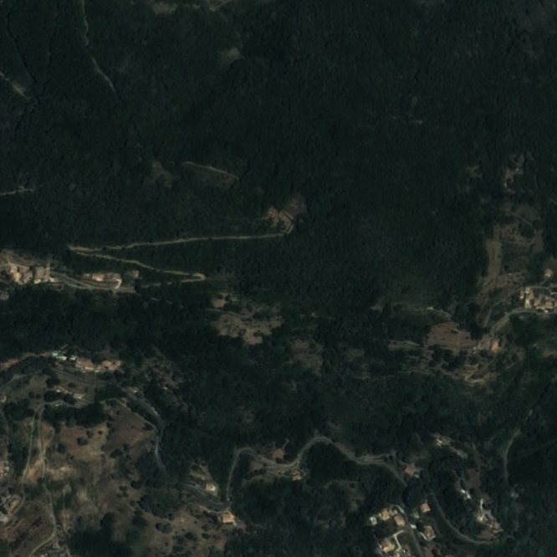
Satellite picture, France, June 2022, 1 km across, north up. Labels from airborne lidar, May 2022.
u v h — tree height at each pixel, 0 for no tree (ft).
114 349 62
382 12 38
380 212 43
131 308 41
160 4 0
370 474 59
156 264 27
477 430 39
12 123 33
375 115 60
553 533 28
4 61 78
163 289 36
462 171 58
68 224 46
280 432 38
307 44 34
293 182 50
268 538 47
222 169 27
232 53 0
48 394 54
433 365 35
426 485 50
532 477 71
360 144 52
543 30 27
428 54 66
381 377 45
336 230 59
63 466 0
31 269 31
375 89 28
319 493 38
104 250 30
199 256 36
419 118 33
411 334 31
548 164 42
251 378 30
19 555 0
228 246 19
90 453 0
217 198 36
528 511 42
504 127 34
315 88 53
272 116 48
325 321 29
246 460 31
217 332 43
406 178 50
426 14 33
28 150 56
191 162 22
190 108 77
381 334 33
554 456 77
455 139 35
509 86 27
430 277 29
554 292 38
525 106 51
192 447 37
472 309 60
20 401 30
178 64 55
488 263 46
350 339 35
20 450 37
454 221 70
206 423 24
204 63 46
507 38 31
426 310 37
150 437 0
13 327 51
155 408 40
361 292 49
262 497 63
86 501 0
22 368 73
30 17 53
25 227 46
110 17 39
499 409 31
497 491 49
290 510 38
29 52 94
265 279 48
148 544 0
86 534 54
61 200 28
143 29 49
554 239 27
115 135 37
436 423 42
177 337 50
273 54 43
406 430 65
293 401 37
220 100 51
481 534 54
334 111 51
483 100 48
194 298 40
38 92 87
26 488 21
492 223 30
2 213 53
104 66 45
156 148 57
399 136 56
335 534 25
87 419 29
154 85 43
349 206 46
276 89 63
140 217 43
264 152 64
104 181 60
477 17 33
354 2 43
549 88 44
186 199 44
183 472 30
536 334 21
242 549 37
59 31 77
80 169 59
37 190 42
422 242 40
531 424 55
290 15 29
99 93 83
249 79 47
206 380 28
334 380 23
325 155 31
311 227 47
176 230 34
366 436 26
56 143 56
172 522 58
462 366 41
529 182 33
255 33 45
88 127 63
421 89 49
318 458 55
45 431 0
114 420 114
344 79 49
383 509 53
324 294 57
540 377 26
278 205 42
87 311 46
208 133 60
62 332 47
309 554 36
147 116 40
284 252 46
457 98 44
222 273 88
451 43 28
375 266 39
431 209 52
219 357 53
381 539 46
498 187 34
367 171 49
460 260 61
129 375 37
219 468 25
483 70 41
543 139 49
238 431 64
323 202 50
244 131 59
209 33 41
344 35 29
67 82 77
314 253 35
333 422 27
